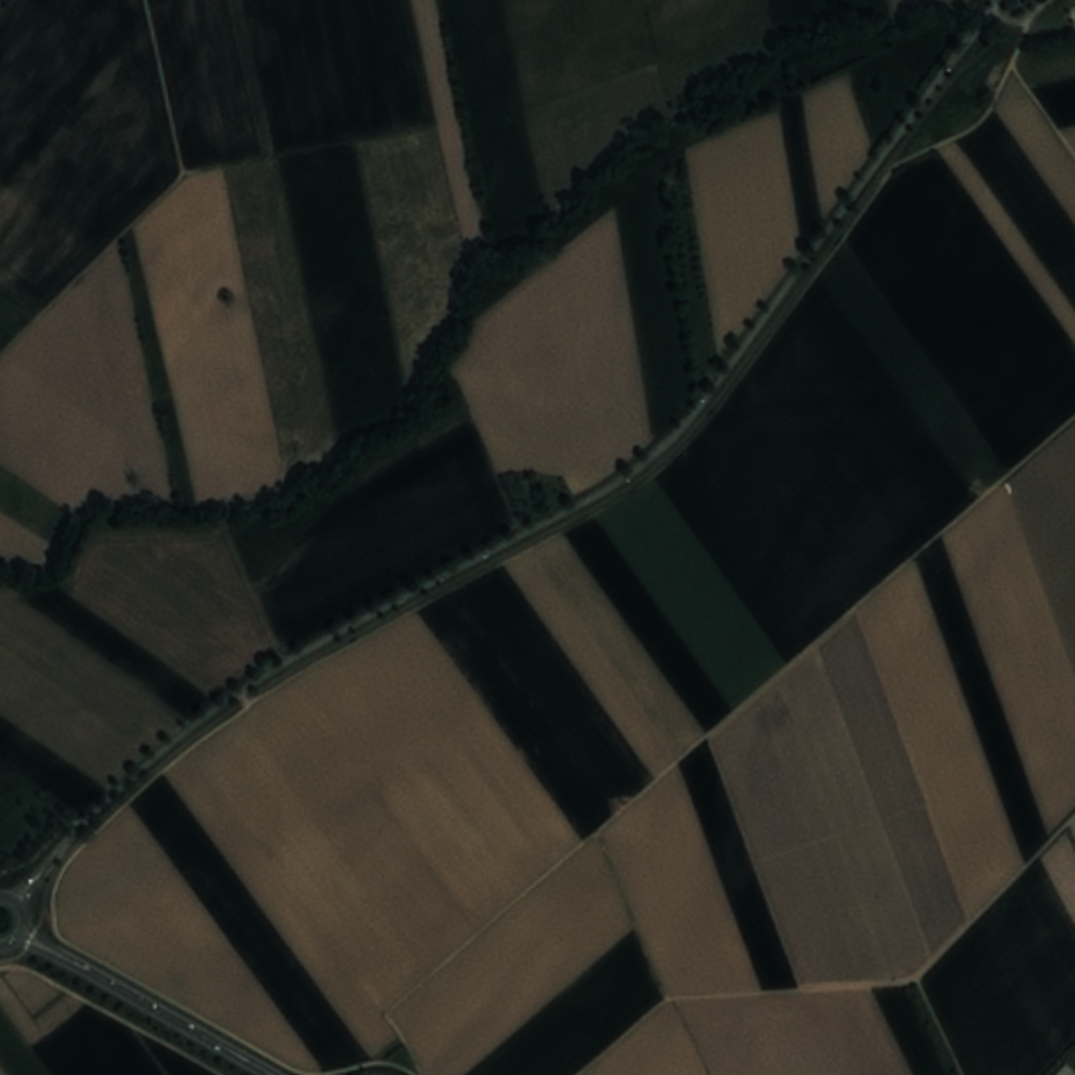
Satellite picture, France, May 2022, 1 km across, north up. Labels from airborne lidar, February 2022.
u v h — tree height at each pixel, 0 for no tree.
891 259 0
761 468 0
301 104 0
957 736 0
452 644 0
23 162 0
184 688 0
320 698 0
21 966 0
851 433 0
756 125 0
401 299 0
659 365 0
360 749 0
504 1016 0
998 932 0
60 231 0
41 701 0
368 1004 0
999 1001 0
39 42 0
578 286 0
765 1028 0
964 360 0
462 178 0
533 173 0
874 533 0
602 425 0
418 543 0
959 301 0
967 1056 0
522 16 0
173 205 0
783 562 0
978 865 0
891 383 0
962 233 0
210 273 0
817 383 0
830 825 0
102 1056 0
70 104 0
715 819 0
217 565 0
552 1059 0
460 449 0
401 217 0
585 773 0
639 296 0
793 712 0
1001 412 0
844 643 0
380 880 0
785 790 0
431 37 0
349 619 10
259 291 0
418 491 0
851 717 0
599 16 0
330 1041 0
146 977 0
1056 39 12
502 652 0
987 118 0
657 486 0
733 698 0
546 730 0
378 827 0
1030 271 0
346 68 0
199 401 0
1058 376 0
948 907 0
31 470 0
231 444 0
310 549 0
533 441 0
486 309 0
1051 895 0
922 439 0
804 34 13
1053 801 0
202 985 0
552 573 0
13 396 0
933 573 0
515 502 5
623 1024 0
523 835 0
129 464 0
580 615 0
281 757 0
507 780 0
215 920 0
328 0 0
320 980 0
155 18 0
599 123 0
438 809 0
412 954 0
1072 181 0
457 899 0
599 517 0
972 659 0
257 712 0
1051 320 0
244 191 0
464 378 0
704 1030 0
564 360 0
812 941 0
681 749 0
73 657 0
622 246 0
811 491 0
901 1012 0
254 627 0
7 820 0
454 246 0
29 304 0
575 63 0
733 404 0
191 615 0
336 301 0
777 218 0
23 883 0
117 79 0
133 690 0
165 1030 0
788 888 0
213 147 0
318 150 0
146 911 0
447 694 0
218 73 0
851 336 0
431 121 0
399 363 0
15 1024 0
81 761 0
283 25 0
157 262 0
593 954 0
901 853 0
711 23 0
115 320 0
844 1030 0
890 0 0
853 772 0
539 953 0
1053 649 0
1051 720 0
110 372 0
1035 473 0
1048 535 0
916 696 0
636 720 0
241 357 0
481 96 0
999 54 0
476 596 0
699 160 0
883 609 0
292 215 0
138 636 0
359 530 0
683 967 0
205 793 0
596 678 0
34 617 0
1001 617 0
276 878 0
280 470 0
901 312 0
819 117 0
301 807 0
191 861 0
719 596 0
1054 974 0
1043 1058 0
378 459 0
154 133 0
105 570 0
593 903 0
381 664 0
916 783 0
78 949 0
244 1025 0
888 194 0
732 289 0
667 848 0
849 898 0
